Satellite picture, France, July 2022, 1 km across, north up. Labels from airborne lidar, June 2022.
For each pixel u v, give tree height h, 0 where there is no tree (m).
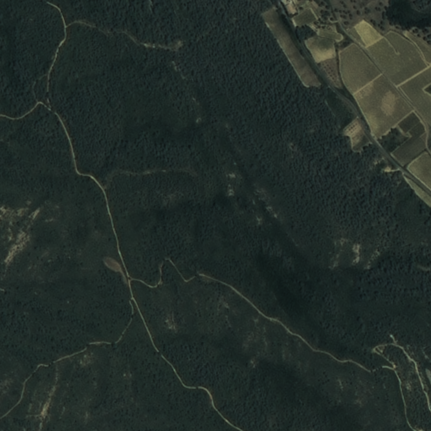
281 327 0
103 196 7
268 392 8
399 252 6
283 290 6
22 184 7
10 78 8
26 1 7
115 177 7
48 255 0
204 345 11
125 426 8
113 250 0
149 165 8
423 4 16
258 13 11
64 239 0
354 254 8
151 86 11
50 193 10
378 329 12
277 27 0
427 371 0
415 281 15
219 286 7
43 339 7
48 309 5
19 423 8
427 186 0
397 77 0
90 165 9
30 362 6
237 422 8
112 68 7
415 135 0
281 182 7
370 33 0
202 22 15
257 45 13
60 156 9
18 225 11
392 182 10
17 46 7
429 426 9
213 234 7
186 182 7
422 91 0
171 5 6
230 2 14
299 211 8
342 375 0
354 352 11
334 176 17
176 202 11
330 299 8
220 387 10
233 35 12
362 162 14
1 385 0
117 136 8
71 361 0
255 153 6
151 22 11
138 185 9
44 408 0
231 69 14
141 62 14
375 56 0
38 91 8
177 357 12
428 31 14
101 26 12
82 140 11
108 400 6
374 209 8
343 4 7
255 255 8
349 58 0
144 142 14
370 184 11
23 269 0
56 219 0
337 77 0
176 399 8
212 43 16
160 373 7
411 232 6
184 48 8
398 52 0
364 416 0
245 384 7
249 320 0
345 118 6
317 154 15
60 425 0
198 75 10
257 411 12
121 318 7
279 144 12
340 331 10
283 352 0
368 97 0
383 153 0
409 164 0
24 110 12
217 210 8
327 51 0
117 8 14
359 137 0
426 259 10
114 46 8
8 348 10
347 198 20
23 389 0
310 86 8
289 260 16
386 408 0
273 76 15
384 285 13
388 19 10
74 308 6
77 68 7
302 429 10
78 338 0
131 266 0
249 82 18
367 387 0
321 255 10
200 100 10
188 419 6
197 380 9
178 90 8
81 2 12
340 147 11
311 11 0
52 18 7
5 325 10
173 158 12
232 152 6
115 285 8
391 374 6
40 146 7
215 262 7
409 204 7
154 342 0
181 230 9
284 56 10
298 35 16
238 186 7
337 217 10
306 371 0
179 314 6
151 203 8
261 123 10
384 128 0
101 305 6
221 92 13
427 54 0
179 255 10
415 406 8
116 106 14
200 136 9
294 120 11
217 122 11
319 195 13
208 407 7
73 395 7
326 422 9
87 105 11
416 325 6
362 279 15
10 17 7
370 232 6
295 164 12
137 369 8
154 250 8
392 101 0
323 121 12
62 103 18
